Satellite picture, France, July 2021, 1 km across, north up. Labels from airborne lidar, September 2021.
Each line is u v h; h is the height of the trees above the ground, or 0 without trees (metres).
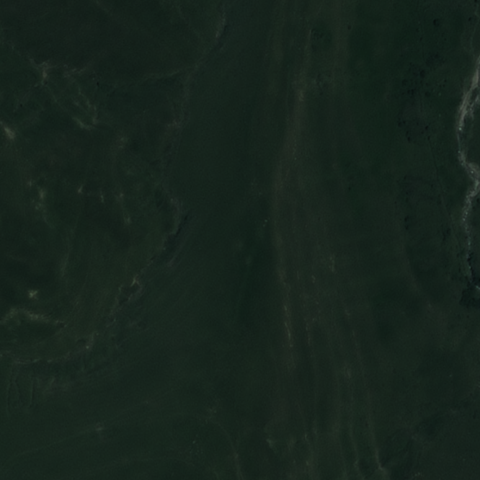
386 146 0
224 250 0
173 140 0
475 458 0
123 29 0
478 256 0
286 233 0
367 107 0
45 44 0
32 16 0
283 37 0
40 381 0
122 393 0
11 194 0
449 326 0
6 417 0
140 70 0
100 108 0
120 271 0
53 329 0
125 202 0
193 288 0
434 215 0
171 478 0
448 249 0
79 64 0
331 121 0
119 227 0
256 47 0
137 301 0
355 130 0
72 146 0
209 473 0
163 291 0
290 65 0
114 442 0
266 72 0
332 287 0
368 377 0
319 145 0
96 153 0
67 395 0
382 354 0
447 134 0
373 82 0
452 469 0
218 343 0
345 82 0
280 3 0
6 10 0
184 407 0
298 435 0
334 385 0
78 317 0
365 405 0
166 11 0
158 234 0
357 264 0
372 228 0
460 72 0
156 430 0
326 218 0
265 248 0
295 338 0
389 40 0
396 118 0
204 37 0
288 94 0
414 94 12
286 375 0
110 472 0
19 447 0
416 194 0
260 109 0
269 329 0
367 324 0
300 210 0
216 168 0
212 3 0
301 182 0
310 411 0
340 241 0
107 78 0
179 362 0
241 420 0
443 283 0
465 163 0
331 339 0
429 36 0
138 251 0
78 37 0
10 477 0
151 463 0
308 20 0
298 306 0
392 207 0
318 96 0
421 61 0
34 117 0
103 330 0
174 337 0
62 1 0
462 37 0
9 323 0
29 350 0
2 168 0
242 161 0
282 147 0
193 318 0
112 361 0
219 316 0
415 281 0
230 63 0
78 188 0
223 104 0
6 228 0
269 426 0
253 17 0
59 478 0
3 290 0
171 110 0
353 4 0
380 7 0
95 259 0
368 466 0
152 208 0
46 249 0
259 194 0
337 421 0
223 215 0
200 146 0
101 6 0
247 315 0
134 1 0
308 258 0
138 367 0
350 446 0
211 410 0
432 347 0
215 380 0
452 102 0
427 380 0
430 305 0
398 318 0
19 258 0
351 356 0
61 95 0
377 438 0
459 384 0
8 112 0
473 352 0
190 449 0
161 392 0
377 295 0
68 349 0
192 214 0
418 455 0
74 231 0
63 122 0
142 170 0
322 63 0
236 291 0
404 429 0
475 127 0
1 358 0
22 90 0
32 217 0
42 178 0
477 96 0
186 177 0
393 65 0
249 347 0
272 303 0
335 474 0
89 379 0
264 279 0
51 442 0
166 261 0
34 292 0
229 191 0
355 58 0
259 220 0
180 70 0
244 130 0
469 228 0
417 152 0
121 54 0
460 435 0
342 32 0
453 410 0
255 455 0
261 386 0
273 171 0
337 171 0
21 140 0
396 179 0
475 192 0
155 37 0
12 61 0
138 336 0
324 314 0
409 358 0
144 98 0
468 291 7
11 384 0
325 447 0
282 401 0
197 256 0
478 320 0
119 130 0
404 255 0
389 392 0
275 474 0
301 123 0
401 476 0
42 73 0
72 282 0
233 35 0
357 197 0
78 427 0
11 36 0
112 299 0
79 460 0
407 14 0
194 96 0
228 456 0
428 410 0
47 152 0
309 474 0
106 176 0
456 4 0
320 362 0
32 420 0
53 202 0
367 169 0
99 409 0
